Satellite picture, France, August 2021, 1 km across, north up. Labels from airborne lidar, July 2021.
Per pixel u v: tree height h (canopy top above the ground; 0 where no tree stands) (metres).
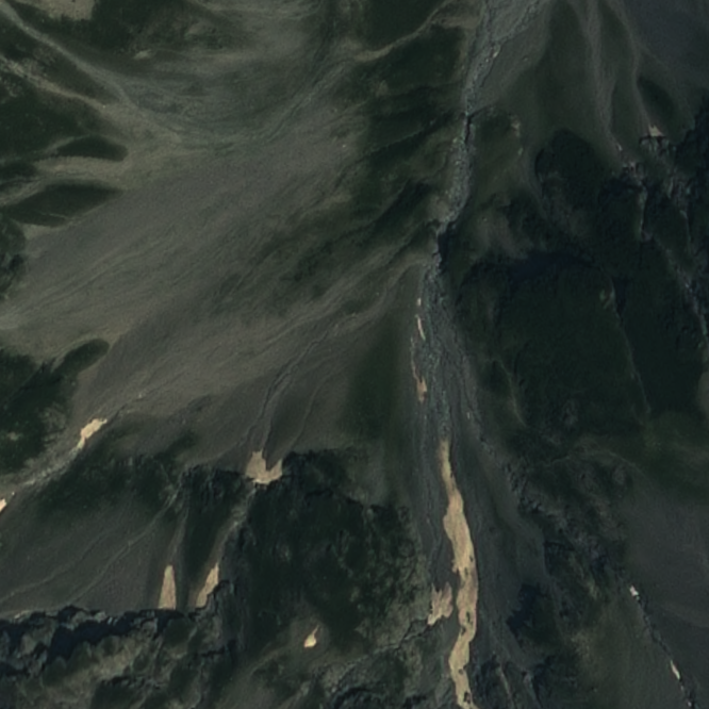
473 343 0
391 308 0
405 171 0
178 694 0
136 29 0
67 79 0
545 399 0
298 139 0
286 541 0
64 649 0
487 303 0
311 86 0
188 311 0
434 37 0
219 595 0
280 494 0
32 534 0
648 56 0
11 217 0
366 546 0
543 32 0
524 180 0
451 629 0
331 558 0
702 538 0
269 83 0
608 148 0
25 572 0
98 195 0
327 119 0
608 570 0
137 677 0
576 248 9
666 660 0
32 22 0
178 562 0
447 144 0
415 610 0
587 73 0
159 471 0
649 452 0
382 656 0
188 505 0
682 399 0
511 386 0
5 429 0
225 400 0
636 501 0
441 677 0
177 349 0
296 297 0
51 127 0
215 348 0
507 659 0
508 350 0
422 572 0
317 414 0
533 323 0
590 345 0
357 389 0
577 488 0
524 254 0
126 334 0
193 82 0
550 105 0
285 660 0
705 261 0
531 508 0
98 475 0
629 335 0
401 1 0
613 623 0
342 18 0
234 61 0
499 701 0
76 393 0
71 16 0
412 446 0
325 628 0
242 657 0
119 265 0
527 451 0
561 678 0
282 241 0
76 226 0
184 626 0
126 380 0
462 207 0
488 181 0
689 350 0
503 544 0
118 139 0
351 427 0
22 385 0
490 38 0
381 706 0
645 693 0
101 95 0
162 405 0
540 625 0
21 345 0
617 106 0
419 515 0
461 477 0
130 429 0
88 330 0
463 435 0
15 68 0
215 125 0
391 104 0
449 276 0
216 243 0
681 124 0
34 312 0
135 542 0
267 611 0
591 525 0
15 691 0
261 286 0
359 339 0
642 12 0
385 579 0
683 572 0
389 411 0
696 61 0
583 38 0
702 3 0
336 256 0
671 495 0
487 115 0
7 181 0
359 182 0
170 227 0
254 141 0
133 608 0
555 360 0
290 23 0
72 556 0
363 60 0
